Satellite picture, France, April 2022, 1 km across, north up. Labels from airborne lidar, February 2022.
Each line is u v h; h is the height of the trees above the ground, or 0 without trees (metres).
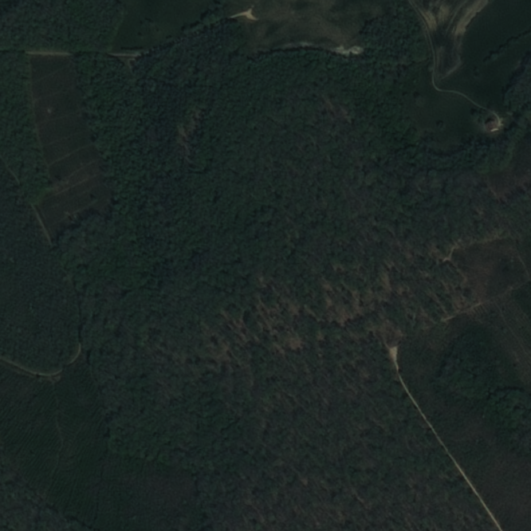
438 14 0
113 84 14
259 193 30
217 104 25
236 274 27
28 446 6
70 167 0
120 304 28
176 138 21
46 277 18
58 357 19
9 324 18
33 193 22
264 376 31
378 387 32
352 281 28
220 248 27
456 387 28
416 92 0
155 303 23
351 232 25
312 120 29
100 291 29
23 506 29
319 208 32
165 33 0
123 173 9
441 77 0
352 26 0
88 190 0
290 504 29
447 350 6
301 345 0
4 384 9
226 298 30
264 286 26
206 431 30
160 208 23
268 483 30
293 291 29
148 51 0
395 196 28
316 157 29
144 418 27
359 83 21
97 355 25
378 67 17
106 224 28
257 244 30
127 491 17
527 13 0
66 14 29
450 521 33
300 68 24
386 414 29
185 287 27
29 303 16
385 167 27
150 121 14
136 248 25
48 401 8
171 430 24
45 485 6
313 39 0
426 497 32
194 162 20
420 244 31
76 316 17
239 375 26
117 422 29
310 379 29
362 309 0
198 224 23
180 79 18
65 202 0
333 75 25
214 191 20
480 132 0
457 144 0
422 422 25
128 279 27
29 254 20
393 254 32
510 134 15
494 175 0
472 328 6
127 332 30
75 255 33
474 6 0
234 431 30
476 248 0
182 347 29
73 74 0
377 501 32
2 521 24
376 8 0
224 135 24
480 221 28
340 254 28
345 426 30
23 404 9
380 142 30
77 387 14
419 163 23
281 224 29
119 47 0
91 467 6
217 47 18
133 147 16
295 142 29
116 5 20
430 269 31
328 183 28
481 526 28
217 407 23
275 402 30
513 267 0
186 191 24
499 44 0
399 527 30
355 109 26
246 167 28
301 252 26
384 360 28
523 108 22
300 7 0
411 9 17
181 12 0
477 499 26
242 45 21
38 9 25
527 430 25
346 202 30
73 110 0
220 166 26
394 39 22
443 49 0
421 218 31
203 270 26
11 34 27
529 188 0
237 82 18
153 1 0
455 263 0
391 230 31
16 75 27
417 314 30
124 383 31
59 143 0
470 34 0
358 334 29
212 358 28
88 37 27
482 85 0
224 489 32
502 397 22
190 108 20
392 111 27
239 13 0
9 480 31
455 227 29
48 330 22
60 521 34
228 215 22
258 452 30
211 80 22
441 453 28
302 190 27
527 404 28
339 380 33
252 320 25
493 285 0
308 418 28
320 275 28
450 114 0
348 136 28
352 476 32
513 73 0
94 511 9
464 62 0
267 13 0
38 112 0
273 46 0
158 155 19
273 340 32
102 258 27
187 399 28
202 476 25
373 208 30
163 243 25
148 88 26
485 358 18
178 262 27
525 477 8
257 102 24
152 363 28
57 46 23
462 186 33
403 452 30
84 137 0
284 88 24
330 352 29
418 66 24
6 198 19
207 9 0
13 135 28
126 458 14
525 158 0
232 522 32
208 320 29
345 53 0
